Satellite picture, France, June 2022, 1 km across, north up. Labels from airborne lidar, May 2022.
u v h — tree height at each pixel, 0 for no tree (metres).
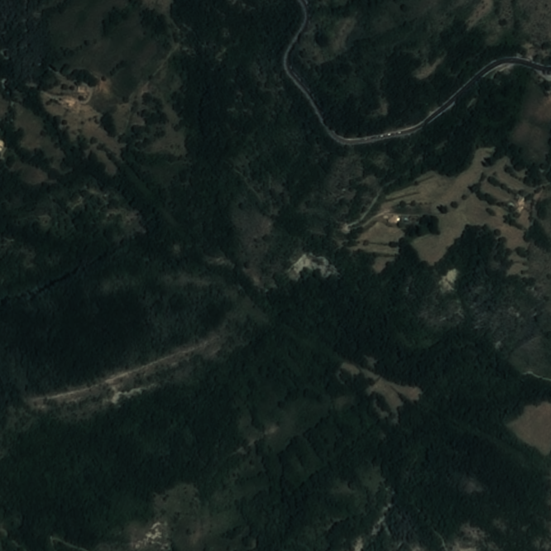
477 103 7
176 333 11
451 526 10
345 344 21
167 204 15
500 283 8
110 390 6
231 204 7
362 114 10
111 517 11
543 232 12
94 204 11
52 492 7
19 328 13
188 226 9
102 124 9
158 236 12
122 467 12
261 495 15
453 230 0
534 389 11
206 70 13
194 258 13
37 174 0
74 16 0
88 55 0
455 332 13
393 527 9
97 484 13
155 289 13
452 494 10
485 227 9
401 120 14
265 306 10
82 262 11
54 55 14
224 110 10
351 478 12
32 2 14
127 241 20
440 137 10
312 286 12
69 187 13
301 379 13
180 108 8
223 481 10
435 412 12
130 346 11
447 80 7
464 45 17
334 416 9
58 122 15
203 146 13
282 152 6
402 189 0
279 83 6
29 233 18
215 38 11
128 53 0
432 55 7
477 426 15
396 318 13
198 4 11
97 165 16
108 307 19
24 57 19
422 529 15
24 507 13
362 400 12
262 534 14
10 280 15
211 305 8
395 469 19
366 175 12
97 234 21
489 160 15
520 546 8
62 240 12
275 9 9
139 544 0
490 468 14
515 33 8
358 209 10
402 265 23
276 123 9
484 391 17
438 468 14
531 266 0
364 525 16
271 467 11
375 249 0
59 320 13
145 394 10
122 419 9
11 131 18
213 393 15
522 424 0
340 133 16
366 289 15
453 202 10
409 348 13
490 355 10
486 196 12
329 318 19
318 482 19
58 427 17
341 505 14
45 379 8
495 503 12
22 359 11
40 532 18
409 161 11
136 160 10
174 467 12
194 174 11
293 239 7
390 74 13
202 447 12
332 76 11
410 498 13
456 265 17
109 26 13
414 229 11
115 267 9
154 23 10
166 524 0
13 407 9
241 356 13
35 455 13
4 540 9
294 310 11
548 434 0
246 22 15
